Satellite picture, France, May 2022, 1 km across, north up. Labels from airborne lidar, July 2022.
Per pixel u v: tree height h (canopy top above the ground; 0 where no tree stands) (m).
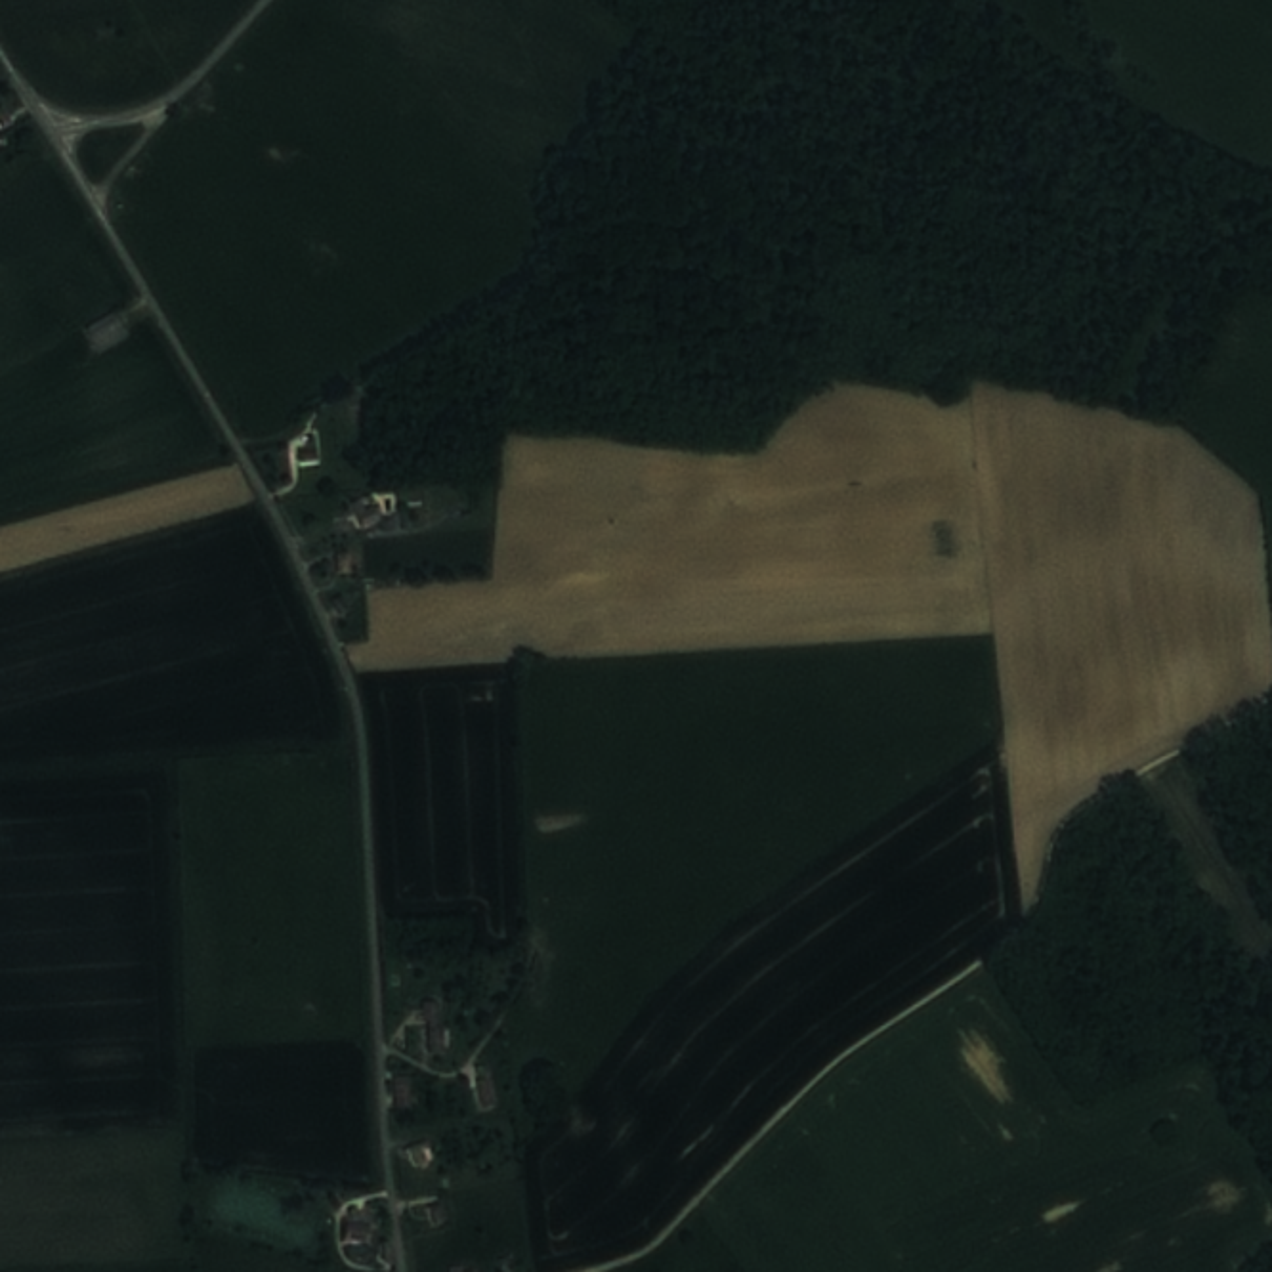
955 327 25
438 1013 0
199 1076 0
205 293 0
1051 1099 0
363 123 0
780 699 0
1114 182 26
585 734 0
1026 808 0
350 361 0
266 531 0
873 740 0
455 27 0
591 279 22
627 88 9
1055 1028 20
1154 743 0
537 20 0
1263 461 0
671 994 0
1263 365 0
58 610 0
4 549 0
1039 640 0
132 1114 0
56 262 0
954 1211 0
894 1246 0
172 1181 0
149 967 0
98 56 0
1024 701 0
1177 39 0
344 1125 0
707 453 16
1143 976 17
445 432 22
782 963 0
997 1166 0
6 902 0
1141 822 23
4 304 0
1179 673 0
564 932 0
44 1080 0
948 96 7
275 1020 0
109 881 0
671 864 0
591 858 0
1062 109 31
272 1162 0
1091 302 17
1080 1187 0
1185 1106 0
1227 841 23
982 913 0
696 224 30
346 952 0
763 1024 0
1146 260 17
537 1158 0
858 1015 0
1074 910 14
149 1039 0
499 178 0
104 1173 0
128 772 0
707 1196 0
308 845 0
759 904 0
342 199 0
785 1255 0
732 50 26
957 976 0
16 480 0
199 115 0
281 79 0
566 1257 0
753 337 31
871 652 0
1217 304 28
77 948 0
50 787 0
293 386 0
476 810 0
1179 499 0
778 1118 0
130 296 0
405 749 0
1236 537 0
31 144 10
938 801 0
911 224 25
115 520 0
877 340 19
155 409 0
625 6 17
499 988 0
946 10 31
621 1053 0
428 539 0
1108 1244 0
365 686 0
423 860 0
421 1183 0
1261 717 14
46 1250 0
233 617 0
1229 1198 0
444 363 18
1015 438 0
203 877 0
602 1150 0
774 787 0
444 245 0
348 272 0
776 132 30
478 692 0
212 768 0
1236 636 0
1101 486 0
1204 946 29
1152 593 0
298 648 0
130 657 0
